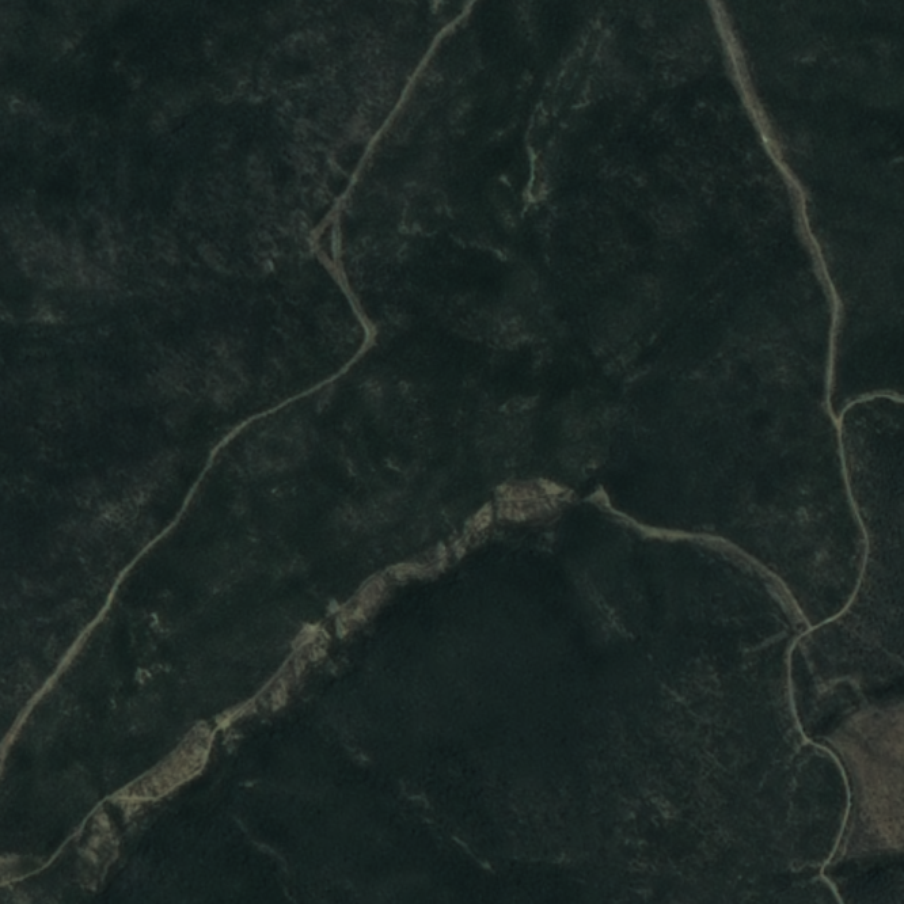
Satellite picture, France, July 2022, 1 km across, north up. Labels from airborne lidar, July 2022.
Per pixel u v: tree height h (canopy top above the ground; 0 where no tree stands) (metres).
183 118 9
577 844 0
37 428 5
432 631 6
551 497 0
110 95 7
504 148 6
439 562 0
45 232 0
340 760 6
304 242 0
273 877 6
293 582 9
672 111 6
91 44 5
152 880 6
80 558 0
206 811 6
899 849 0
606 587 0
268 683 0
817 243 0
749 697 0
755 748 0
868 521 8
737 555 0
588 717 0
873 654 8
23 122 7
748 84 0
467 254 6
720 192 5
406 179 0
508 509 0
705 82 6
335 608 0
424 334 6
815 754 0
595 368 6
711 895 0
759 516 0
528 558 9
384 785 7
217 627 6
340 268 0
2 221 0
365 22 0
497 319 0
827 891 7
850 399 0
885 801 0
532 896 6
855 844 0
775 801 0
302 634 0
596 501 0
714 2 0
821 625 0
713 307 5
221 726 0
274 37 5
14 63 6
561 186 7
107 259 0
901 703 0
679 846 0
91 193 6
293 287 0
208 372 0
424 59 0
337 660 6
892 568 7
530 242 7
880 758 0
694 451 0
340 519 0
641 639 6
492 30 6
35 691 0
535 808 0
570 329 6
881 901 7
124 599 7
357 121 0
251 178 0
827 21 5
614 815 0
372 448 6
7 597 0
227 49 6
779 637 0
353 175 0
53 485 6
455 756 7
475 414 6
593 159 6
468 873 6
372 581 0
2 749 0
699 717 0
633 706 0
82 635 0
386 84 0
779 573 0
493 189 5
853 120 6
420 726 0
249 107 7
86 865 0
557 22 6
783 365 0
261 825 6
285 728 6
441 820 7
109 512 0
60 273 0
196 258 5
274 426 0
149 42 7
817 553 0
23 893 0
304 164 0
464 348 7
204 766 0
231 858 6
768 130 0
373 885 0
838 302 0
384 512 0
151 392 0
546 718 0
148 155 5
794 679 6
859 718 0
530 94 7
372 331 0
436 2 0
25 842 6
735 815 0
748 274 6
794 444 0
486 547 8
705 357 5
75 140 8
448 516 0
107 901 8
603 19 6
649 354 6
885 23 5
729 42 0
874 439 7
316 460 6
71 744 6
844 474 0
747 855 0
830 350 0
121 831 6
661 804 0
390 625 6
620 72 0
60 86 6
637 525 0
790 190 0
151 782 0
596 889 0
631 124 7
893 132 7
